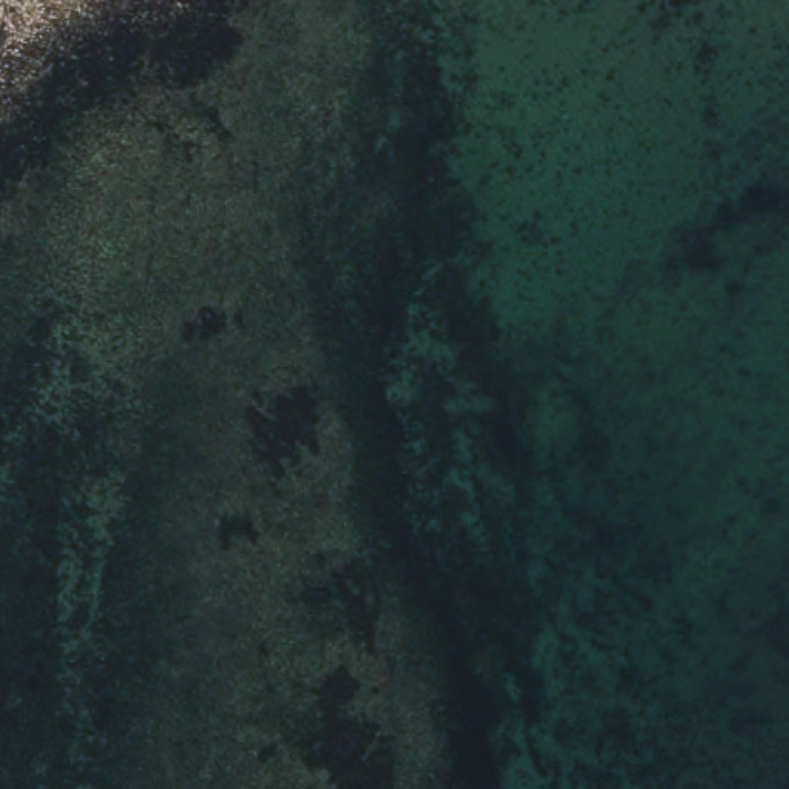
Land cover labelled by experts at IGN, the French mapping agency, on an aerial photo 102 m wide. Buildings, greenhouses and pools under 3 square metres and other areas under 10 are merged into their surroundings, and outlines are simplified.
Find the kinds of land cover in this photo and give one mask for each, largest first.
<instances>
[{"label":"water","instance_id":"1","mask_svg":"<svg viewBox=\"0 0 789 789\"><path fill-rule=\"evenodd\" d=\"M43 22L49 28L31 37L22 55L0 52V789H789V0H43Z\"/></svg>","mask_w":789,"mask_h":789},{"label":"bare soil","instance_id":"2","mask_svg":"<svg viewBox=\"0 0 789 789\"><path fill-rule=\"evenodd\" d=\"M49 28L43 22V0H0V52L22 55L31 37Z\"/></svg>","mask_w":789,"mask_h":789}]
</instances>
